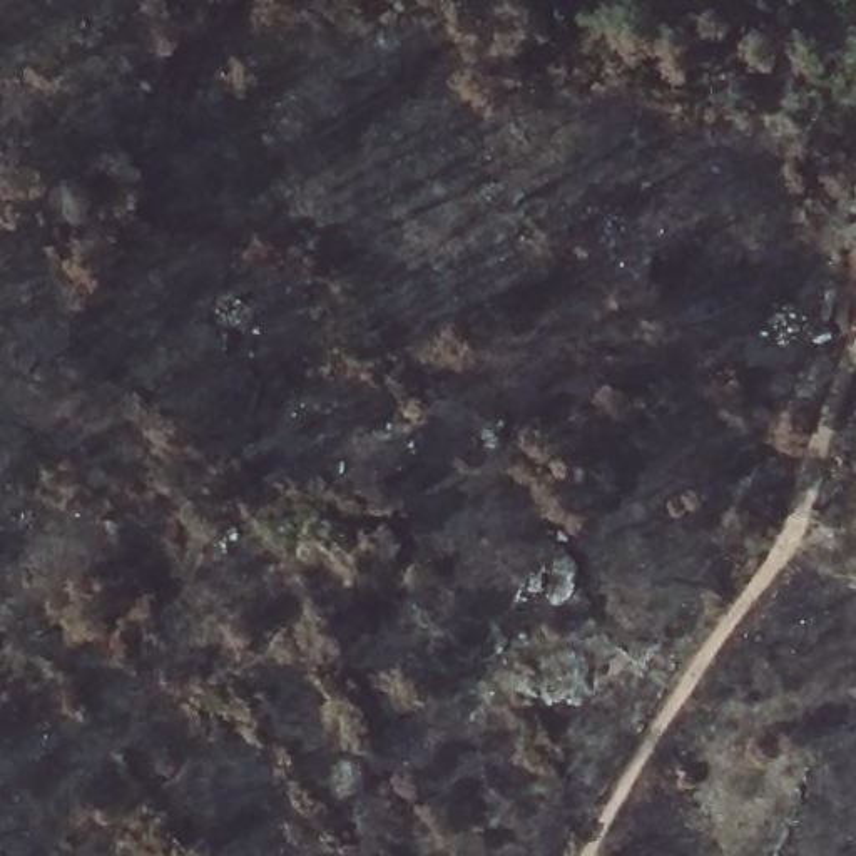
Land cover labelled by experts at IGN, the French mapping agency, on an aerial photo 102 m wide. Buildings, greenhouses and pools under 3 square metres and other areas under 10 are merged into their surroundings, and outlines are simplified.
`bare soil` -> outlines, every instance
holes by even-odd
[[[117,251],[110,254],[100,244],[84,254],[84,264],[57,257],[54,247],[47,247],[43,261],[37,264],[0,227],[0,662],[10,672],[37,665],[40,675],[50,682],[67,679],[60,669],[54,669],[50,659],[27,655],[13,645],[20,639],[20,629],[7,615],[17,615],[17,609],[30,599],[43,602],[50,578],[74,558],[90,558],[107,572],[107,585],[100,592],[100,629],[114,629],[114,622],[127,615],[137,605],[137,599],[147,595],[150,605],[157,602],[171,609],[171,632],[181,642],[224,645],[231,659],[241,659],[244,645],[251,652],[261,652],[281,625],[294,625],[301,609],[311,609],[314,602],[308,582],[291,589],[284,582],[284,572],[268,572],[271,552],[251,532],[251,525],[241,522],[237,505],[271,505],[274,482],[288,482],[294,488],[301,488],[304,482],[324,482],[324,488],[354,502],[351,515],[334,505],[324,515],[331,522],[331,542],[351,552],[354,562],[364,558],[364,552],[371,552],[375,558],[395,558],[395,552],[408,545],[408,538],[415,538],[418,532],[435,532],[435,548],[441,548],[445,555],[455,552],[461,558],[455,572],[465,578],[465,589],[508,589],[515,602],[528,602],[535,609],[535,632],[518,632],[515,639],[505,639],[502,625],[488,625],[488,639],[495,645],[488,665],[492,675],[478,682],[478,702],[468,712],[468,722],[482,726],[488,716],[502,719],[502,726],[515,739],[512,762],[518,769],[545,776],[548,766],[562,756],[562,732],[568,732],[575,746],[585,746],[599,756],[625,729],[632,729],[642,739],[649,736],[659,709],[669,702],[692,655],[702,649],[702,642],[729,612],[736,595],[769,558],[769,548],[779,538],[792,508],[799,505],[799,495],[806,488],[819,492],[813,518],[803,532],[803,548],[752,602],[752,609],[742,615],[736,632],[726,639],[726,645],[706,669],[702,682],[692,689],[682,712],[665,729],[649,766],[642,769],[615,823],[609,826],[609,843],[599,856],[856,856],[856,371],[836,408],[826,455],[813,451],[809,438],[819,428],[819,411],[833,391],[833,375],[839,368],[839,358],[849,351],[856,328],[856,110],[833,100],[833,87],[806,84],[803,74],[792,70],[792,64],[782,74],[749,70],[739,47],[722,47],[719,40],[712,40],[709,54],[702,54],[696,67],[682,74],[682,84],[669,84],[659,74],[655,57],[629,64],[619,50],[605,43],[605,37],[578,23],[572,30],[562,30],[552,43],[522,43],[522,50],[512,57],[518,64],[518,84],[508,87],[505,107],[485,120],[471,104],[465,104],[451,90],[451,40],[445,27],[364,23],[361,17],[354,17],[338,37],[321,37],[314,30],[311,37],[271,47],[264,54],[264,67],[244,77],[244,67],[231,57],[227,40],[254,10],[254,0],[0,0],[0,110],[10,120],[30,124],[27,110],[40,97],[40,90],[27,84],[27,70],[37,70],[54,84],[64,80],[60,97],[54,100],[57,114],[80,107],[97,117],[107,114],[124,134],[137,134],[140,147],[150,154],[154,184],[161,187],[157,194],[150,191],[147,197],[140,197],[137,211],[120,221]],[[241,247],[247,247],[247,241],[254,237],[274,247],[291,247],[304,244],[304,237],[318,237],[314,274],[341,281],[341,291],[348,298],[341,304],[324,308],[298,278],[278,274],[271,284],[261,284],[241,257]],[[458,371],[418,361],[421,344],[431,344],[441,328],[451,328],[471,348],[465,368]]]
[[[378,675],[378,689],[398,709],[411,709],[415,696],[445,696],[415,652],[395,649],[381,659],[388,672]]]
[[[358,752],[361,722],[351,719],[354,706],[331,696],[321,706],[321,719],[324,726],[338,729],[341,749]]]
[[[84,833],[84,843],[67,849],[70,856],[127,856],[114,849],[114,843],[140,839],[147,833],[157,836],[164,826],[161,813],[150,806],[137,806],[130,816],[124,816],[84,806],[70,813],[74,826]]]

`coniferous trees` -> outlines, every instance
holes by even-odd
[[[421,344],[418,361],[458,371],[465,368],[471,348],[451,328],[441,328],[431,344]]]
[[[719,40],[722,47],[739,47],[749,70],[782,74],[792,64],[792,70],[803,74],[806,84],[833,87],[833,100],[856,110],[856,0],[254,0],[254,10],[227,40],[231,57],[244,67],[244,77],[264,67],[264,54],[271,47],[311,37],[314,30],[321,37],[338,37],[354,17],[361,17],[364,23],[445,27],[451,40],[451,90],[465,104],[471,104],[485,120],[505,107],[508,87],[518,84],[518,64],[512,57],[522,50],[522,43],[552,43],[562,30],[572,30],[578,23],[605,37],[605,43],[619,50],[629,64],[655,57],[659,74],[669,84],[682,84],[682,74],[696,67],[702,54],[709,54],[712,40]]]
[[[318,237],[304,237],[304,244],[291,247],[274,247],[254,237],[247,241],[247,247],[241,247],[241,257],[261,284],[271,284],[278,274],[298,278],[324,308],[341,304],[348,298],[341,291],[341,281],[314,274]]]
[[[602,806],[609,803],[622,772],[629,769],[632,756],[639,752],[642,739],[632,729],[625,729],[599,756],[585,746],[575,746],[568,732],[562,732],[562,756],[548,766],[545,776],[518,769],[512,762],[515,739],[502,726],[502,719],[488,716],[482,726],[468,722],[468,712],[478,702],[478,682],[492,675],[488,665],[495,645],[488,639],[488,625],[502,625],[505,639],[515,639],[518,632],[535,632],[535,609],[528,602],[515,602],[508,589],[465,589],[465,578],[455,572],[461,558],[455,552],[445,555],[441,548],[435,548],[435,532],[418,532],[415,538],[408,538],[408,545],[395,552],[395,558],[375,558],[371,552],[364,552],[364,558],[354,562],[351,552],[331,542],[331,522],[324,515],[334,505],[351,515],[354,502],[324,488],[324,482],[304,482],[301,488],[294,488],[288,482],[274,482],[271,505],[237,505],[241,522],[251,525],[251,532],[271,552],[268,572],[284,572],[284,582],[291,589],[308,582],[314,602],[311,609],[301,609],[294,625],[281,625],[261,652],[251,652],[244,645],[241,659],[231,659],[224,645],[181,642],[171,632],[171,609],[157,602],[150,605],[147,595],[137,599],[137,605],[127,615],[114,622],[114,629],[100,629],[100,592],[107,585],[107,572],[90,558],[74,558],[50,578],[43,602],[30,599],[17,609],[17,615],[7,615],[20,629],[20,639],[13,645],[27,655],[50,659],[54,669],[60,669],[67,679],[50,682],[40,675],[37,665],[10,672],[0,662],[0,856],[70,856],[67,849],[84,843],[84,833],[74,826],[70,813],[84,806],[124,816],[130,816],[137,806],[150,806],[161,813],[164,826],[157,836],[147,833],[140,839],[114,843],[114,849],[127,856],[582,856],[582,846],[595,836]],[[395,649],[415,652],[445,696],[415,696],[411,709],[398,709],[378,689],[378,675],[388,672],[381,659]],[[321,706],[331,696],[354,706],[351,719],[361,722],[358,752],[341,749],[338,729],[324,726],[321,719]]]
[[[137,211],[140,197],[147,197],[150,191],[157,194],[161,187],[154,184],[150,154],[140,147],[137,134],[124,134],[107,114],[97,117],[80,107],[57,114],[54,100],[60,97],[64,80],[54,84],[37,70],[27,70],[27,84],[40,90],[40,97],[27,110],[30,124],[10,120],[0,110],[0,227],[37,264],[43,261],[47,247],[54,247],[57,257],[84,264],[84,254],[100,244],[110,254],[117,251],[120,221]]]

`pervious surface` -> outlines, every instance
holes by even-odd
[[[792,508],[779,538],[769,548],[769,558],[736,595],[729,612],[702,642],[702,649],[692,655],[669,702],[659,709],[649,736],[642,739],[639,752],[632,756],[629,769],[622,772],[609,803],[602,806],[595,836],[582,846],[582,856],[599,856],[609,843],[609,826],[615,823],[642,769],[649,766],[665,729],[682,712],[692,689],[702,682],[706,669],[726,645],[726,639],[736,632],[742,615],[752,609],[752,602],[803,548],[803,532],[813,518],[819,492],[806,488],[799,495],[799,505]]]
[[[836,408],[856,371],[856,328],[849,351],[839,358],[839,368],[833,375],[833,391],[819,411],[819,428],[809,438],[813,451],[826,455]]]

